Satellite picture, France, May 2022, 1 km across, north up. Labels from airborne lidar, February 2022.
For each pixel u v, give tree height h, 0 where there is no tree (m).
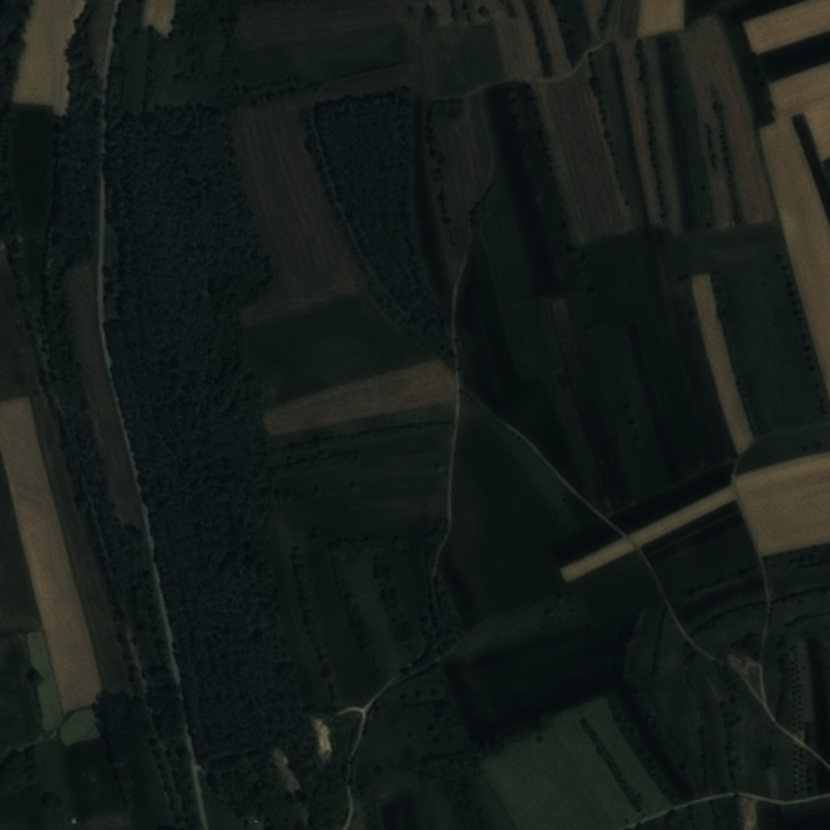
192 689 20
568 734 0
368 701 0
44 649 0
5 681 0
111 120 17
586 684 0
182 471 22
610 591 0
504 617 0
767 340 0
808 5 0
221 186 20
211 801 0
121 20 10
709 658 0
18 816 0
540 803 0
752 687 0
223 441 18
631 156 0
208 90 0
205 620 20
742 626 0
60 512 0
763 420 0
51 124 0
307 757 17
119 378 22
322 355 0
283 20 0
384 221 21
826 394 0
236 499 21
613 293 0
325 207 0
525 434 0
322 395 0
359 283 0
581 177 0
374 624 0
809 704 0
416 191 0
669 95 0
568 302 0
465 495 0
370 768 0
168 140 21
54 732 0
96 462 12
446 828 0
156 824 0
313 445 6
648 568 0
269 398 0
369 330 0
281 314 0
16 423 0
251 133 0
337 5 0
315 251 0
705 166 0
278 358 0
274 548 0
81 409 18
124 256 20
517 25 0
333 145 19
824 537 0
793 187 0
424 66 0
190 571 21
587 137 0
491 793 0
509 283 0
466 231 0
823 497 0
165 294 19
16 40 17
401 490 0
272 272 6
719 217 0
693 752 0
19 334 0
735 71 0
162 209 21
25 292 7
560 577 0
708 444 0
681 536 0
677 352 0
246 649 18
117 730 33
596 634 0
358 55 0
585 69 0
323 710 15
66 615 0
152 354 22
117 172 23
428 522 0
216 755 18
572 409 0
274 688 17
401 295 13
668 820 8
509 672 0
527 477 0
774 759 6
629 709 0
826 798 0
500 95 0
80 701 0
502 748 13
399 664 0
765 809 0
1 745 0
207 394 16
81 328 0
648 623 0
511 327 0
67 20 0
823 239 0
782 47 0
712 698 0
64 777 0
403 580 0
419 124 0
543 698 0
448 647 14
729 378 0
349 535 0
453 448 0
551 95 0
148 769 0
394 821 0
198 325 22
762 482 0
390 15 0
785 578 0
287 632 0
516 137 0
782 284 0
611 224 0
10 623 0
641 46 6
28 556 0
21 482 0
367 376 0
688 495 0
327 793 12
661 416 0
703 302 0
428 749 0
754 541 0
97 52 0
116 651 0
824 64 0
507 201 0
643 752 7
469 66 0
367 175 22
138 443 20
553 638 0
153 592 12
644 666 0
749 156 0
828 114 0
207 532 21
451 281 0
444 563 0
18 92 0
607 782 0
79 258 19
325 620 0
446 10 0
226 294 8
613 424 0
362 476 0
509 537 0
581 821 0
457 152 0
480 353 0
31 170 0
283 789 0
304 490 0
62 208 18
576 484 0
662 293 0
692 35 0
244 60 0
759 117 0
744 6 0
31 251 0
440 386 0
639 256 0
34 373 0
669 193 0
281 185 0
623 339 0
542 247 0
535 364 0
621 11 0
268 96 11
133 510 0
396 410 0
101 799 0
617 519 0
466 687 0
